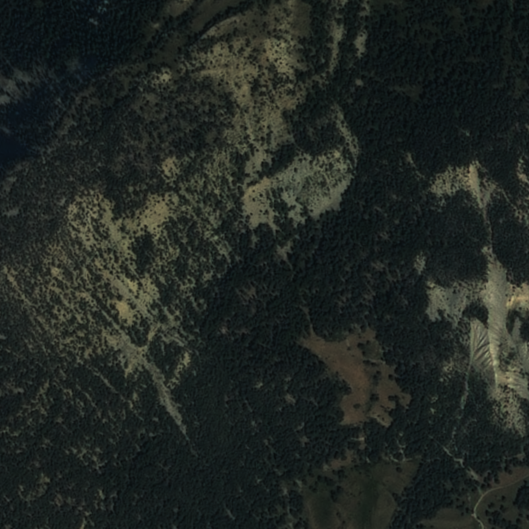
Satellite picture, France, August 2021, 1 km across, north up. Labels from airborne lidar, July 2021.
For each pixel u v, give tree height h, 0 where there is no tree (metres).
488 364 0
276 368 18
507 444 8
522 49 6
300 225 12
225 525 11
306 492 0
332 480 8
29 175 7
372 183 13
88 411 14
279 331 24
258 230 13
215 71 0
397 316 19
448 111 12
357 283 21
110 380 10
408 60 13
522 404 6
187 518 18
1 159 9
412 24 8
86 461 10
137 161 14
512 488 0
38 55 11
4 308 7
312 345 0
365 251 19
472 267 8
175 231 5
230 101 7
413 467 0
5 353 11
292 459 13
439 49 21
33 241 6
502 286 0
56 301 9
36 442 18
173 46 0
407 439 10
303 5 0
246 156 10
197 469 17
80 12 7
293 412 15
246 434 11
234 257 13
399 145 11
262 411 13
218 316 19
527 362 0
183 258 9
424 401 15
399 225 13
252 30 0
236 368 13
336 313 20
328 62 14
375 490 0
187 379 10
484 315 10
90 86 7
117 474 14
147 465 15
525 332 8
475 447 7
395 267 12
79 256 7
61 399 14
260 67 10
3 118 8
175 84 6
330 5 11
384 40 8
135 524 11
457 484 11
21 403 14
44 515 12
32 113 7
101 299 8
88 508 10
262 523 13
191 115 10
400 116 8
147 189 7
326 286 21
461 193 8
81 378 10
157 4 8
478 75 9
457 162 11
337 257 15
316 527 0
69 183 9
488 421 6
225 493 11
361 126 14
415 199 10
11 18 15
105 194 9
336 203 0
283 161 18
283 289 12
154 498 15
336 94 15
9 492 15
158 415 11
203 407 13
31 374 12
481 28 8
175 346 8
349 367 0
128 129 9
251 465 13
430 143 12
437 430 9
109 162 10
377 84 16
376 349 0
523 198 7
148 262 12
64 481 15
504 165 9
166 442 9
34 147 5
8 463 17
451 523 0
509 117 12
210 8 0
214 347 17
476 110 14
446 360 9
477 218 9
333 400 10
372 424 10
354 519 0
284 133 0
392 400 10
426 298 11
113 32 12
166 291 11
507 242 8
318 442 17
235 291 23
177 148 13
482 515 0
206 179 10
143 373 7
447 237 13
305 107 12
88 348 8
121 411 8
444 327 6
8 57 9
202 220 7
